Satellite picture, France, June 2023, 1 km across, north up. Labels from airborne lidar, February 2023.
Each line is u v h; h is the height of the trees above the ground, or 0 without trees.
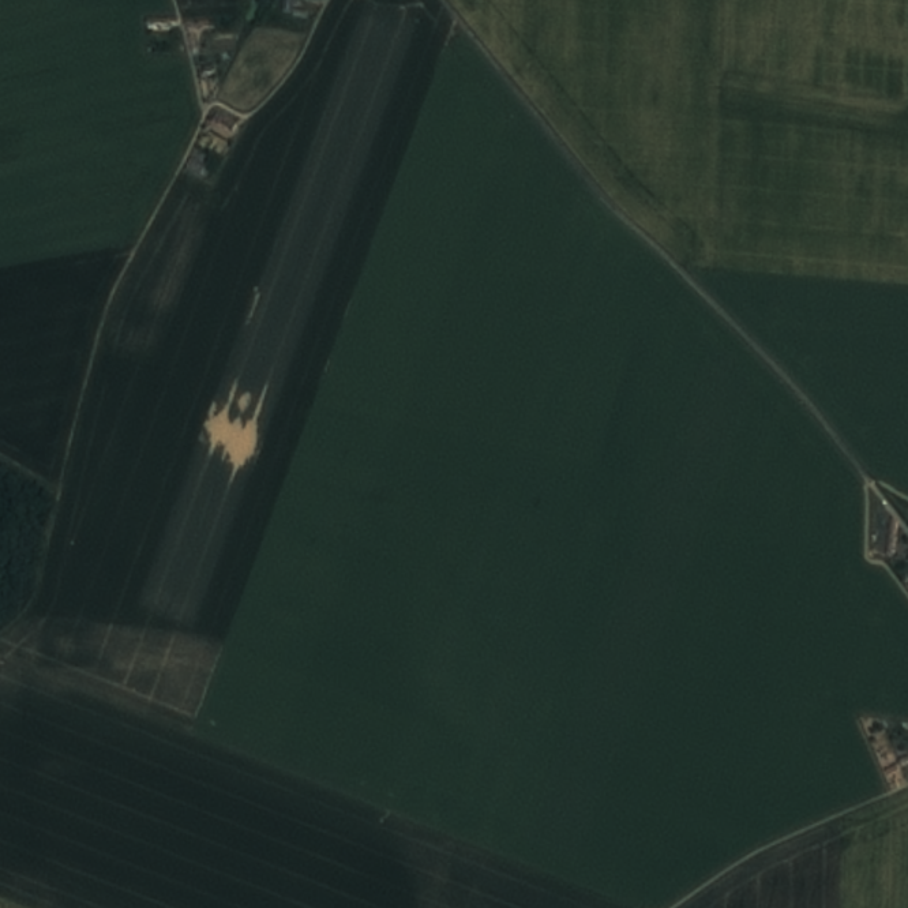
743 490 0
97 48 0
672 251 0
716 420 0
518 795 0
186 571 0
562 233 0
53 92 0
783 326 0
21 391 0
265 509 0
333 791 0
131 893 0
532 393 0
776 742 0
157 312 0
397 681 0
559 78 0
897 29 0
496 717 0
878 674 0
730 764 0
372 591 0
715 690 0
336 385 0
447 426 0
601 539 0
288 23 0
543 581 0
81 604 0
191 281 0
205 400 0
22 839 0
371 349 0
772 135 0
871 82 0
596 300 0
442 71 0
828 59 0
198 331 0
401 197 0
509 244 0
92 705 0
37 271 0
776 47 0
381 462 0
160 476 0
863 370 0
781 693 0
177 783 0
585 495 0
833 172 0
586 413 0
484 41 0
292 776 0
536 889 0
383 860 0
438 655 0
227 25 7
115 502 0
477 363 0
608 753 0
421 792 0
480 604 0
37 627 0
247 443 0
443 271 0
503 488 0
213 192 0
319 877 0
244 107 0
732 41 0
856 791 0
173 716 0
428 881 0
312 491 0
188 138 0
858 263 0
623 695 0
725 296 0
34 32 0
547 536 0
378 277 0
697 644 0
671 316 0
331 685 0
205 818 0
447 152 0
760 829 0
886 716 0
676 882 0
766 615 0
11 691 0
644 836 0
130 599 0
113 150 0
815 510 0
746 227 0
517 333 0
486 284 0
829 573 0
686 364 0
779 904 0
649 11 0
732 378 0
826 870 0
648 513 0
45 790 0
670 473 0
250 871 0
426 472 0
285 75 0
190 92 0
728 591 0
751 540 0
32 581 13
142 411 0
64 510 0
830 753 0
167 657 0
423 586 0
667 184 0
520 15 0
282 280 0
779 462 0
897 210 0
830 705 0
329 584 0
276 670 0
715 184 0
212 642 0
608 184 0
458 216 0
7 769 0
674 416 0
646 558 0
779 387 0
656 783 0
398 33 0
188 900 0
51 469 0
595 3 0
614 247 0
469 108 0
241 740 0
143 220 0
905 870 0
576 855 0
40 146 0
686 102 0
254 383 0
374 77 0
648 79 0
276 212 0
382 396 0
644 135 0
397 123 0
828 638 0
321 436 0
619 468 0
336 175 0
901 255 0
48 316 0
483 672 0
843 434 0
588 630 0
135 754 0
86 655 0
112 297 0
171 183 0
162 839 0
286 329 0
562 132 0
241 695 0
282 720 0
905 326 0
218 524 0
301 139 0
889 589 0
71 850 0
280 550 0
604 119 0
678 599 0
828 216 0
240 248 0
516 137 0
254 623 0
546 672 0
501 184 0
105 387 0
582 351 0
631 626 0
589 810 0
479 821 0
